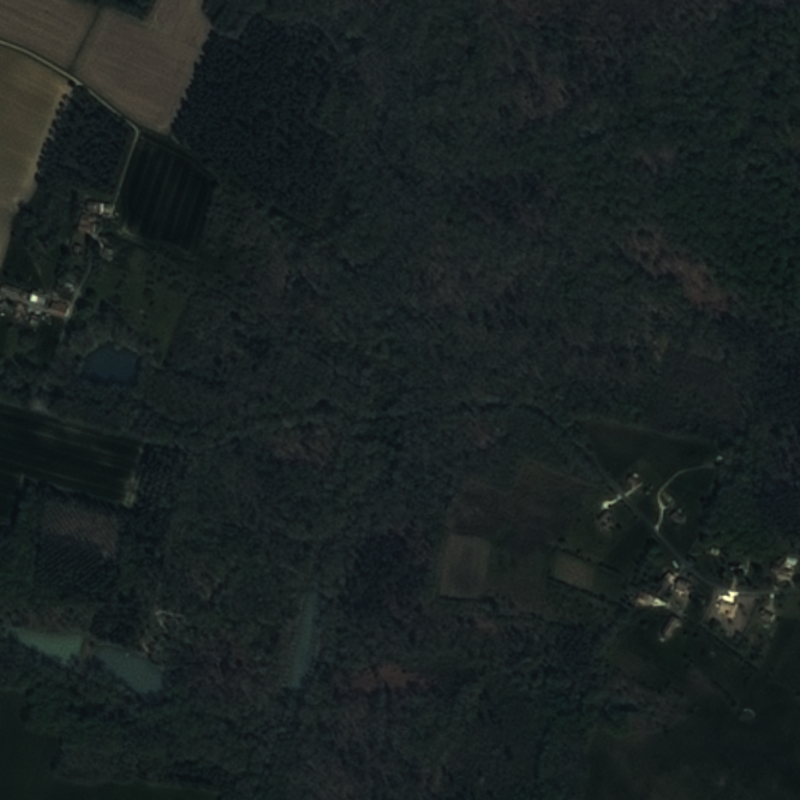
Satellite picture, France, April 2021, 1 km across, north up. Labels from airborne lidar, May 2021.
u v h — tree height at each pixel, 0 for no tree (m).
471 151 24
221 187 9
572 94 15
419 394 21
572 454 15
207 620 19
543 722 10
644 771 0
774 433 12
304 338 9
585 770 22
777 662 0
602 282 20
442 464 18
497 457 12
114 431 20
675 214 14
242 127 15
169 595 16
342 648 16
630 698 12
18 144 0
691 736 0
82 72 0
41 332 0
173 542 14
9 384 19
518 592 0
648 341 23
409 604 7
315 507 28
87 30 0
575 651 19
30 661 14
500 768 7
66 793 0
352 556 19
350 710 18
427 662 12
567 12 5
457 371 19
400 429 7
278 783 14
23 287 10
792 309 24
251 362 6
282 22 13
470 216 14
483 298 11
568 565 0
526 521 0
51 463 0
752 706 0
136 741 22
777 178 14
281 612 18
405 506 22
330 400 14
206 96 17
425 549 8
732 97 24
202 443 27
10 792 0
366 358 9
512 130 15
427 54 16
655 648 0
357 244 26
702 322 17
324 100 14
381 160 25
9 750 0
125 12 17
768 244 19
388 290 27
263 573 19
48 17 0
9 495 0
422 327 25
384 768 13
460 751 7
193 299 6
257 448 20
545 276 17
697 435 13
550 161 21
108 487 0
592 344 14
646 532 0
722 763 0
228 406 17
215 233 9
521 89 19
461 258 19
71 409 24
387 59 23
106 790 0
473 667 9
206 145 16
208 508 29
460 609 13
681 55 17
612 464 0
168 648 16
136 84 0
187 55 0
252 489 19
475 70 19
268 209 12
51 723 18
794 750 0
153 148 0
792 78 22
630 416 21
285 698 7
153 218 0
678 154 26
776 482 23
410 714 22
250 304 7
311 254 17
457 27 15
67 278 10
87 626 23
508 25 13
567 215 19
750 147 22
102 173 18
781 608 9
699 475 0
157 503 20
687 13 10
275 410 22
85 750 17
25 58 0
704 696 0
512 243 22
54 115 0
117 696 25
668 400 6
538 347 14
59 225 23
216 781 13
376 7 15
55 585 15
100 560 24
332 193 11
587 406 22
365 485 22
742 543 18
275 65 18
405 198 23
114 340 13
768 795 0
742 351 19
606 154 21
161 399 19
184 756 19
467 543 0
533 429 15
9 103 0
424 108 23
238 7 11
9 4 0
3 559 20
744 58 14
